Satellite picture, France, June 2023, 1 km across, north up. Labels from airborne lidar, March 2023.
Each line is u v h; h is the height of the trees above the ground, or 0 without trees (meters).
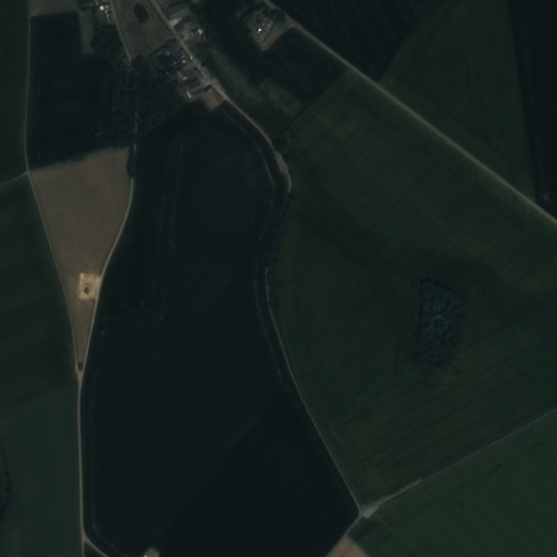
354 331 0
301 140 0
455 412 0
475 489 0
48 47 0
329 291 0
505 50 0
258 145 0
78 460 0
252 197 0
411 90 0
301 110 0
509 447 0
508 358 0
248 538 0
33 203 0
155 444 0
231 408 0
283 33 0
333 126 0
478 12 0
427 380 0
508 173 0
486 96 0
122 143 18
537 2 0
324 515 0
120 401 0
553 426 0
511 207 0
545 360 0
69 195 0
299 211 0
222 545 0
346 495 0
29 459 0
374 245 0
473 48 0
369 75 0
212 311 0
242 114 0
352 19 0
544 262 0
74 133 0
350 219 0
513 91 0
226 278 0
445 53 0
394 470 0
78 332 0
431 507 0
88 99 0
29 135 0
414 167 0
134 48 0
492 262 0
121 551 0
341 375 0
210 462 0
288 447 0
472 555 0
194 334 0
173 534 0
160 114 11
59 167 0
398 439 0
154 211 0
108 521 0
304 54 0
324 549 0
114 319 0
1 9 0
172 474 0
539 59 0
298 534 0
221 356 0
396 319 0
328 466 0
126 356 0
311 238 0
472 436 0
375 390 0
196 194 0
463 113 0
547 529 0
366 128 0
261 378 0
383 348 0
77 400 0
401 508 0
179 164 0
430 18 0
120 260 0
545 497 0
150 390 0
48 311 0
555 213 0
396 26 0
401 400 0
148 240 0
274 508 0
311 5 0
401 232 0
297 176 0
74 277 0
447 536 0
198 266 0
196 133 0
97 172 0
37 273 0
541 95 0
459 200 0
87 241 0
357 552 0
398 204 0
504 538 0
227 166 0
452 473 0
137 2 0
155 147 0
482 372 0
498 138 0
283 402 0
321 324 0
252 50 0
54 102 0
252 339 0
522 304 0
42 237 0
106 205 0
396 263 0
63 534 0
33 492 0
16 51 0
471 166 0
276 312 8
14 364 0
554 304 0
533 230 0
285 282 0
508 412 0
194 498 0
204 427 0
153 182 0
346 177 0
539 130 0
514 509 0
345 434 0
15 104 0
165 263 0
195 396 0
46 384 0
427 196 0
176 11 0
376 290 0
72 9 0
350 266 0
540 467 0
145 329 0
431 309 12
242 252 0
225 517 0
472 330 0
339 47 0
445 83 0
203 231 0
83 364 0
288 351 0
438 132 0
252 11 10
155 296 0
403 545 0
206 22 8
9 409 0
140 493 0
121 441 0
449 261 0
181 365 0
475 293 0
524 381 0
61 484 0
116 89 17
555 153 0
